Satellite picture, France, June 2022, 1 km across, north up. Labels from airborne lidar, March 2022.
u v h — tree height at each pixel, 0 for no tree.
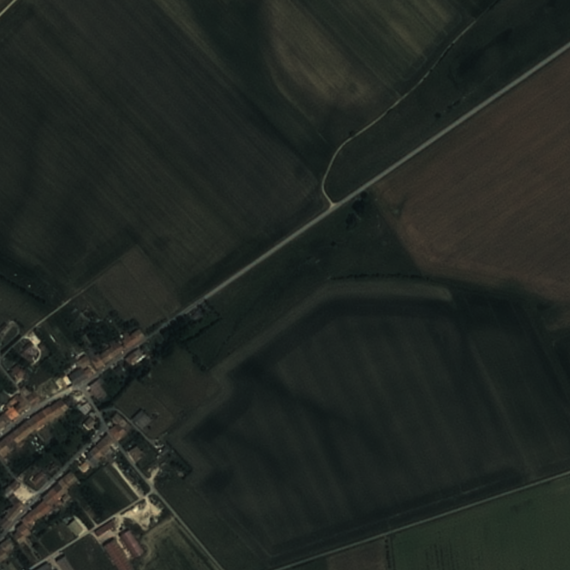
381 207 0
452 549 0
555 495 0
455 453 0
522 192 0
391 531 0
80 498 0
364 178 0
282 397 0
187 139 0
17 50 0
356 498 0
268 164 0
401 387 0
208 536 0
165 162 0
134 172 0
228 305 0
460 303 0
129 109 0
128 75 0
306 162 0
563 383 0
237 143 0
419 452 0
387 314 0
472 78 0
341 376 0
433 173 0
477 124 0
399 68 0
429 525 0
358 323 0
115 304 0
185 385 0
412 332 0
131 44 0
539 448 0
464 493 0
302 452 0
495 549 0
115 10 0
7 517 0
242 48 0
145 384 0
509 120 0
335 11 0
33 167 0
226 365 0
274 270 0
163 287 0
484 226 0
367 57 0
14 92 0
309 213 0
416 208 0
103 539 0
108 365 0
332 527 0
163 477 0
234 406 0
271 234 0
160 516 0
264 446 0
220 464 0
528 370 0
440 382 0
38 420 0
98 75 0
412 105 0
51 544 0
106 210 0
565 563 0
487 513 0
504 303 0
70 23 0
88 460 0
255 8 0
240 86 0
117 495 0
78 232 0
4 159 0
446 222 0
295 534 0
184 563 0
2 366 0
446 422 0
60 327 0
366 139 0
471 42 0
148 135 0
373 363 0
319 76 0
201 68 0
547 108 0
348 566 0
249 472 0
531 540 0
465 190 0
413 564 0
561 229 0
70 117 0
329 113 0
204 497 0
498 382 0
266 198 0
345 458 0
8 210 0
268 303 0
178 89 0
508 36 0
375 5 0
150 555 0
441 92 0
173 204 0
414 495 0
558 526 0
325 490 0
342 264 0
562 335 0
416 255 0
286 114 0
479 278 0
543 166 0
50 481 0
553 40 0
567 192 0
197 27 0
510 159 0
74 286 0
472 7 0
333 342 0
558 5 0
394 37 0
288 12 0
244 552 0
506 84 0
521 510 0
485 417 0
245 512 0
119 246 0
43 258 0
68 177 0
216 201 0
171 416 0
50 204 0
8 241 0
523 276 0
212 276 0
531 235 0
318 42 0
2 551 0
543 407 0
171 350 17
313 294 0
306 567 0
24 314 0
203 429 0
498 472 0
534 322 0
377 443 0
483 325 0
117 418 0
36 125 0
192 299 0
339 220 0
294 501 0
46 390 0
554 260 0
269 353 0
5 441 0
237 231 0
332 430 0
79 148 0
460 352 0
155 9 0
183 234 0
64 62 0
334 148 0
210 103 0
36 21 0
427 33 0
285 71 0
